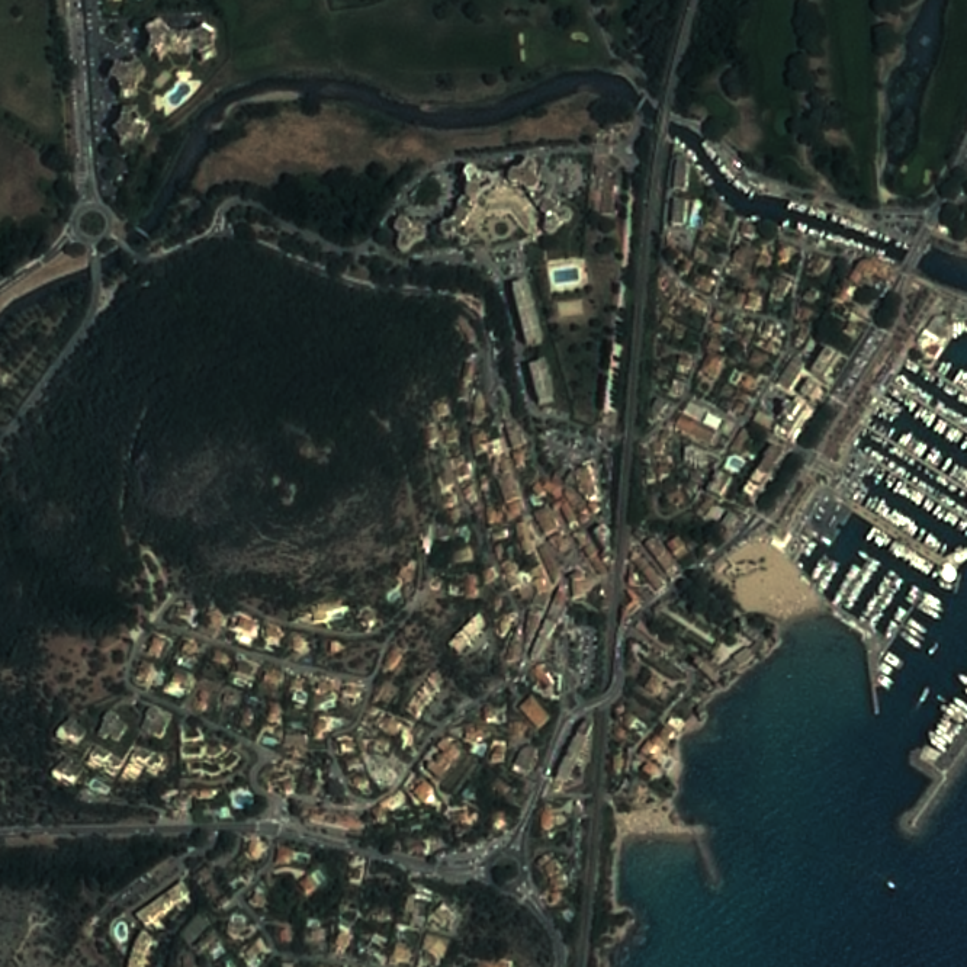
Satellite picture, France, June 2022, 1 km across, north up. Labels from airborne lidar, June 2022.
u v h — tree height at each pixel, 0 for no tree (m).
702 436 0
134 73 0
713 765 0
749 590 0
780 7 0
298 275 9
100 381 8
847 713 0
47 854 9
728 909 0
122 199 7
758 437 15
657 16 21
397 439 9
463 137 0
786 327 6
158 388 12
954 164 10
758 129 0
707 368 0
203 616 11
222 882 9
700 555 6
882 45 17
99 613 11
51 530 6
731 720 0
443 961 8
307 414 8
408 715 10
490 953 7
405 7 0
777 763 0
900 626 0
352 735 6
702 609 17
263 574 6
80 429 9
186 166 0
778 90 0
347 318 13
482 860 0
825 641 0
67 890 15
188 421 6
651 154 13
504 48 0
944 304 0
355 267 8
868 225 0
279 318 10
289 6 0
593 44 0
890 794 0
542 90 0
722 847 0
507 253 5
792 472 12
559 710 9
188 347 12
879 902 0
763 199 0
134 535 7
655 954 0
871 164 0
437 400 7
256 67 0
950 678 0
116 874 16
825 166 11
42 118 0
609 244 11
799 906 0
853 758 0
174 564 7
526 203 0
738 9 16
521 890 0
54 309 21
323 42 0
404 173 8
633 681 10
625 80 0
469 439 9
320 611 0
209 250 10
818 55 11
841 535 0
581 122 0
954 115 0
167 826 0
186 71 0
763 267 6
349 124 0
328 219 12
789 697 0
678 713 6
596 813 0
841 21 0
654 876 0
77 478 9
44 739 9
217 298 11
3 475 12
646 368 7
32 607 7
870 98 0
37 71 0
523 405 11
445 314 10
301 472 7
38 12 0
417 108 0
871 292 15
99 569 9
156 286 7
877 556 0
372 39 0
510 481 0
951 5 0
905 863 0
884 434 0
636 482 7
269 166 0
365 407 6
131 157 9
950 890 0
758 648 0
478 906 12
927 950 0
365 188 11
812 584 0
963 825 0
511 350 13
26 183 0
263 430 8
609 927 7
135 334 11
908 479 0
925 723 0
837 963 0
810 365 0
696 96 17
